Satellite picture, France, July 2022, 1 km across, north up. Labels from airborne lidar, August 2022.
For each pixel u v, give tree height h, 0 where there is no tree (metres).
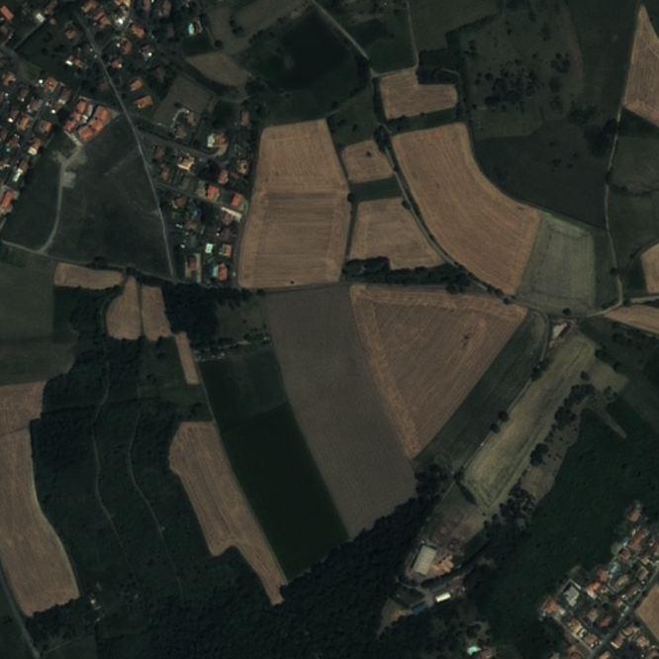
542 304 0
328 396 0
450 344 0
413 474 0
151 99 0
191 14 11
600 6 0
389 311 0
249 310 0
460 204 0
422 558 0
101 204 0
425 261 0
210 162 6
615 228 0
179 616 11
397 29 0
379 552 20
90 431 9
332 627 22
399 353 0
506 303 9
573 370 0
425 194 0
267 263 0
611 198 0
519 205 0
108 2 8
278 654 16
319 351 0
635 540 0
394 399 0
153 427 10
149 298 0
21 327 0
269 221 0
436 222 0
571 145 0
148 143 0
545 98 0
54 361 0
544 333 0
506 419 13
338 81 0
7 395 0
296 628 19
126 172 0
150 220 0
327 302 0
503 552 13
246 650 13
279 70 0
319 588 19
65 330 0
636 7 0
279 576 0
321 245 0
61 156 0
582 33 0
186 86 0
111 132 0
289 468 0
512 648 0
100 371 7
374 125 0
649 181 0
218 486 0
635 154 0
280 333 0
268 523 0
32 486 0
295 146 0
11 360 0
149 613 7
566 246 0
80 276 0
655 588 0
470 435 0
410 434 0
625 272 0
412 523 17
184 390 0
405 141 0
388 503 0
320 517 0
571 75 0
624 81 0
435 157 0
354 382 0
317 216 0
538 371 12
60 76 0
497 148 0
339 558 22
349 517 0
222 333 0
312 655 13
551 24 0
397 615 0
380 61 0
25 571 0
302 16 0
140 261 0
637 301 0
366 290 0
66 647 0
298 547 0
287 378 0
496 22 0
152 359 0
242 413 0
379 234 0
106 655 8
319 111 0
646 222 0
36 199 0
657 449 8
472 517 0
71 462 9
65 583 0
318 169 0
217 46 11
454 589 0
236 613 16
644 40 0
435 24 0
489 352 0
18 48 7
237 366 0
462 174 0
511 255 0
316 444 0
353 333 0
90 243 0
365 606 17
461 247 0
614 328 9
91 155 0
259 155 0
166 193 6
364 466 0
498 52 0
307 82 0
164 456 10
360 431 0
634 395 0
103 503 6
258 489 0
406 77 0
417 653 7
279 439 0
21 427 0
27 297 0
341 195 0
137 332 0
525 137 0
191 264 0
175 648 9
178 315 19
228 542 0
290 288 0
